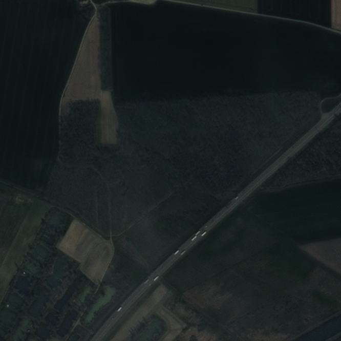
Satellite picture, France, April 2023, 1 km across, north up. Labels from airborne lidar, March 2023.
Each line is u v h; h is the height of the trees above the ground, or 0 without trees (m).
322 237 0
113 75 0
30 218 0
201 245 0
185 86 0
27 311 0
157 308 0
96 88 0
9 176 0
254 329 0
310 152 7
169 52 0
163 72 0
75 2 0
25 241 0
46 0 0
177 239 0
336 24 0
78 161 21
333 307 0
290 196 0
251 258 0
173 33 0
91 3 0
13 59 0
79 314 0
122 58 0
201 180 21
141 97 0
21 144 0
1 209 0
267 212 0
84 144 25
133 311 0
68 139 18
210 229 0
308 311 0
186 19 0
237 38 0
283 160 0
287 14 0
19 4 0
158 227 0
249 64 0
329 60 0
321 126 0
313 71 0
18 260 0
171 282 0
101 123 0
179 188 20
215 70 0
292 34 0
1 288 0
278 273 0
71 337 12
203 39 0
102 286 25
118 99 0
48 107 0
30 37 0
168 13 0
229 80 0
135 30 0
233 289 0
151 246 0
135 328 0
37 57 0
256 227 0
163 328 14
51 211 9
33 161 0
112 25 0
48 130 0
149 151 29
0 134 0
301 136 0
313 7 0
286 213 0
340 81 0
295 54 0
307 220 0
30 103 0
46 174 0
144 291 0
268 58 0
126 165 26
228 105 21
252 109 18
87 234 0
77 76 0
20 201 0
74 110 23
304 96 22
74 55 0
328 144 18
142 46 0
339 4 0
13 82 0
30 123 0
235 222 0
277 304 0
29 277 15
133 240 0
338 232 0
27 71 0
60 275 0
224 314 0
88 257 0
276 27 0
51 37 0
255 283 0
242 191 0
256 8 0
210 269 0
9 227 0
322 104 0
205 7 0
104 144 0
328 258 0
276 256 0
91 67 0
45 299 0
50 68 0
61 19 0
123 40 0
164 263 0
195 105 22
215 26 0
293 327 0
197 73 0
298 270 0
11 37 0
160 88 0
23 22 0
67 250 0
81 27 0
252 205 0
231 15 0
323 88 0
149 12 0
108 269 0
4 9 0
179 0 0
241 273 0
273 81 0
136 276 0
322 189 0
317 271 0
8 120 0
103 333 0
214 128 26
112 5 0
